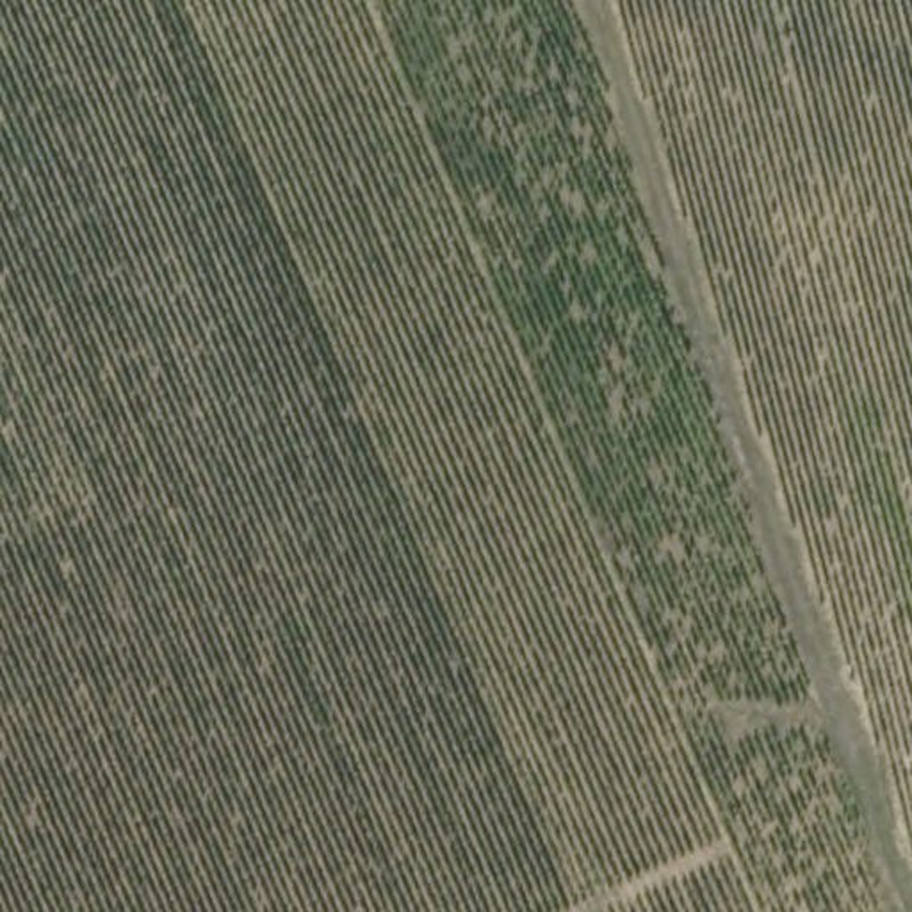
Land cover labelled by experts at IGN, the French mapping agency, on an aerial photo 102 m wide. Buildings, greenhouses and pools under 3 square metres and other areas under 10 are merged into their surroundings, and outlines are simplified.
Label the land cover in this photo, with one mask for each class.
<instances>
[{"label":"vineyard","instance_id":"1","mask_svg":"<svg viewBox=\"0 0 912 912\"><path fill-rule=\"evenodd\" d=\"M0 912H912V0H0Z\"/></svg>","mask_w":912,"mask_h":912}]
</instances>
